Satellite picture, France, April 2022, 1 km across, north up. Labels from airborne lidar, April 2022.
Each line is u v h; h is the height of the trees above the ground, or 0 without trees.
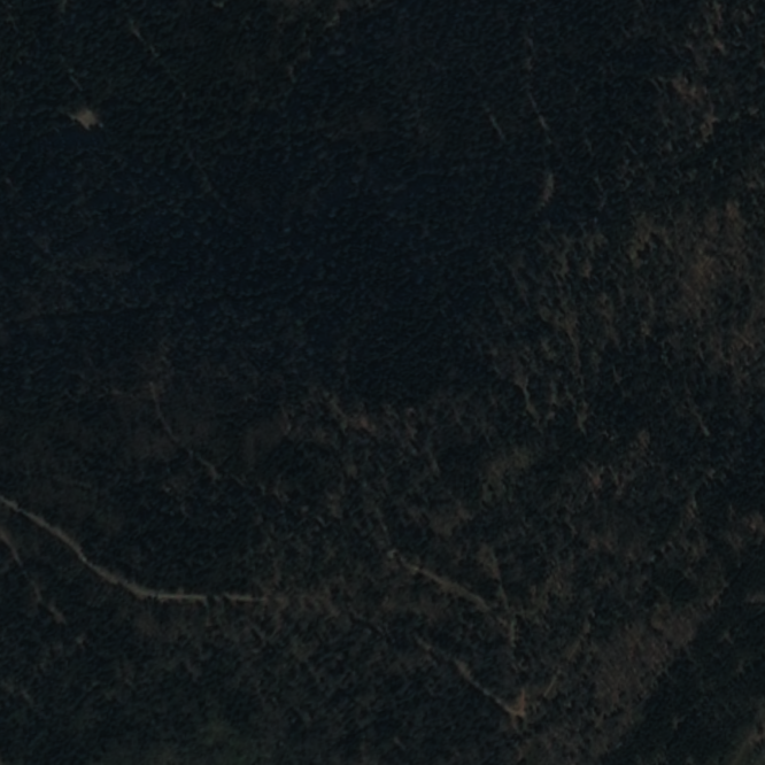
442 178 31
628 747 27
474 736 25
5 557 25
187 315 16
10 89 36
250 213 22
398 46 30
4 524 18
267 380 11
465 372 19
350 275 32
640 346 7
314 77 35
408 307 19
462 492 24
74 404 10
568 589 14
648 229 17
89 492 13
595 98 29
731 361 23
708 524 25
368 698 11
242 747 14
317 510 29
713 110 20
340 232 30
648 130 12
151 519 30
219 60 22
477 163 30
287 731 26
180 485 13
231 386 16
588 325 34
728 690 27
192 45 28
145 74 18
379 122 19
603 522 25
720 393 24
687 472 29
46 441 12
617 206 31
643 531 28
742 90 21
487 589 11
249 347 15
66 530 11
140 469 20
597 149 26
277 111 6
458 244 35
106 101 7
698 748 26
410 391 17
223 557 35
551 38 24
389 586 6
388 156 26
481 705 23
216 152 39
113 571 13
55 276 11
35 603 22
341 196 11
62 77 32
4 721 23
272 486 13
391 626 17
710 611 27
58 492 13
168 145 40
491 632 7
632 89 31
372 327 16
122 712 31
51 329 8
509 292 14
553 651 27
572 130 28
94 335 16
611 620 22
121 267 26
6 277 13
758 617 20
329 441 10
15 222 10
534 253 0
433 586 11
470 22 28
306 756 19
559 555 32
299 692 33
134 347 10
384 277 14
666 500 31
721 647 25
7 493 16
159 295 25
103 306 11
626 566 18
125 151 20
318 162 40
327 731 27
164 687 28
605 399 26
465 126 26
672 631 40
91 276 10
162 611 21
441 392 17
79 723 17
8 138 15
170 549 29
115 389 7
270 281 28
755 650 22
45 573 8
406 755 22
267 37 25
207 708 18
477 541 22
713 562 10
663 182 37
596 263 17
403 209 37
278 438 15
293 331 37
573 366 26
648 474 28
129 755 21
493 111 26
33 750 10
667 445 29
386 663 8
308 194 16
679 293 37
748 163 31
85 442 11
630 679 33
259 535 22
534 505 17
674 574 24
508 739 26
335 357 28
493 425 22
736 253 36
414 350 14
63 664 28
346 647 18
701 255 35
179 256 31
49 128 12
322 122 33
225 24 19
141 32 12
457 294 15
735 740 14
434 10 29
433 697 29
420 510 10
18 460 9
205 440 13
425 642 9
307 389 17
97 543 17
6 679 20
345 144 26
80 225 30
